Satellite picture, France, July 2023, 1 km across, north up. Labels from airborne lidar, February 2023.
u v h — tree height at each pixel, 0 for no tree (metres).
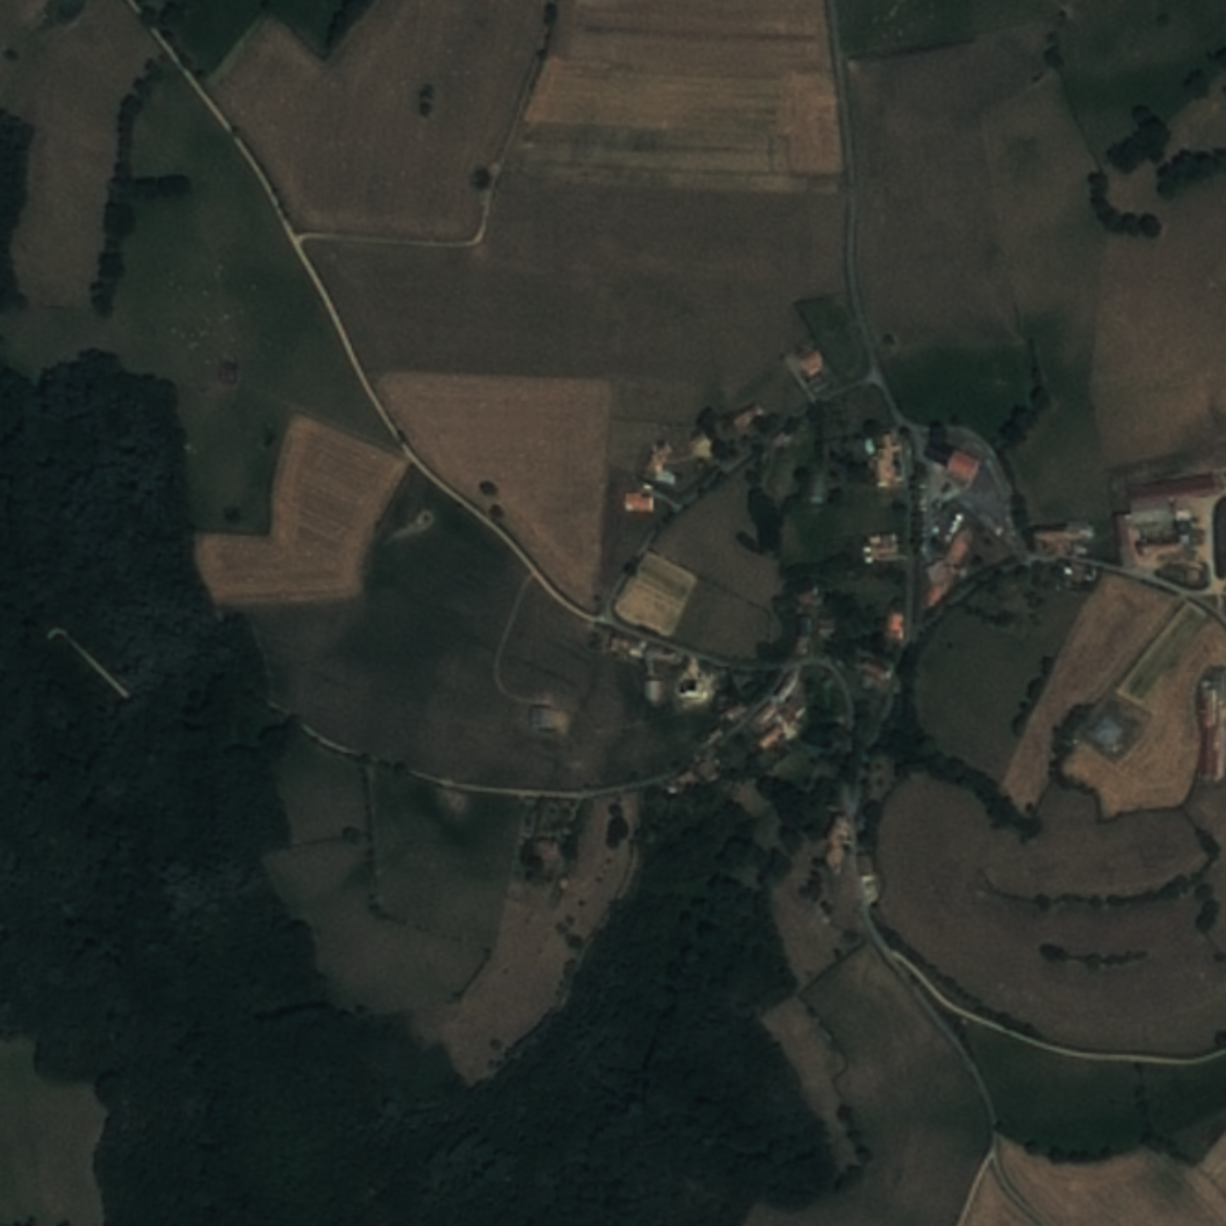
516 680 0
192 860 11
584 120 0
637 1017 27
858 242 0
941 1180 0
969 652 0
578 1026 15
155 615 14
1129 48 0
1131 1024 0
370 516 0
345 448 0
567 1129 20
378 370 0
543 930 0
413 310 0
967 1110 0
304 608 0
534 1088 14
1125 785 0
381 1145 9
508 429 0
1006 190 0
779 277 0
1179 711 0
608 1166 20
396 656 0
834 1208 0
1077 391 0
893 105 0
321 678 0
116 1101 17
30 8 0
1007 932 0
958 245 0
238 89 0
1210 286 0
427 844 0
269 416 0
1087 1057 0
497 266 0
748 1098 8
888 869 0
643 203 0
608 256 0
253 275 0
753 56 0
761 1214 0
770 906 9
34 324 0
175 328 0
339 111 0
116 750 19
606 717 0
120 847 15
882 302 0
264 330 0
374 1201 9
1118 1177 0
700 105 0
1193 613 0
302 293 0
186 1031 22
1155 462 0
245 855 16
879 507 0
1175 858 0
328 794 0
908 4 0
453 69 0
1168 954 0
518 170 0
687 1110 20
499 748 0
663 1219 13
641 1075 8
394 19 0
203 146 0
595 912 0
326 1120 19
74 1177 0
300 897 0
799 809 19
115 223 15
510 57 0
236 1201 16
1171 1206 0
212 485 0
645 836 8
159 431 19
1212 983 0
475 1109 12
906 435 13
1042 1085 0
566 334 0
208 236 0
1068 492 0
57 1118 0
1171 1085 0
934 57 0
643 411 0
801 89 0
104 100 0
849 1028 0
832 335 0
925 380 0
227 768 12
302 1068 19
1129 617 0
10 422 25
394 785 0
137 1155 20
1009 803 10
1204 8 0
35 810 29
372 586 0
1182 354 0
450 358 0
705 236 0
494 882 0
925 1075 0
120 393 21
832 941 0
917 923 0
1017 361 0
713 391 0
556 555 0
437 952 0
